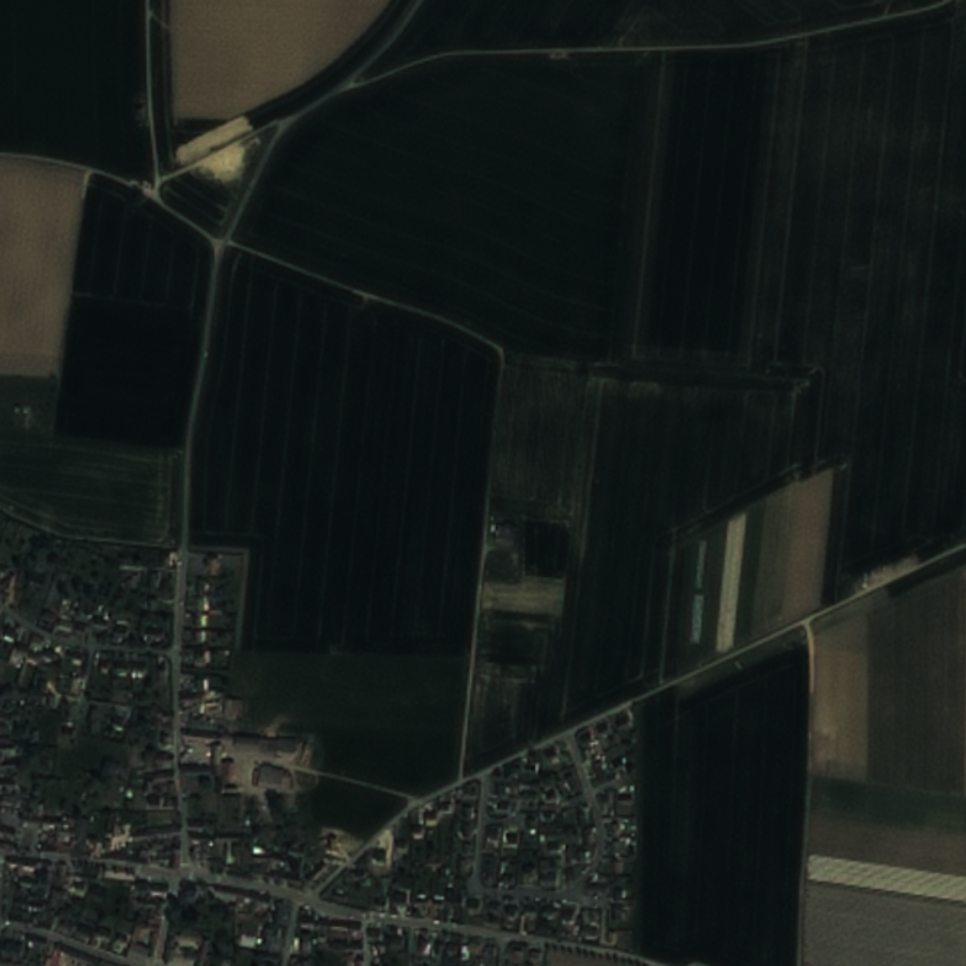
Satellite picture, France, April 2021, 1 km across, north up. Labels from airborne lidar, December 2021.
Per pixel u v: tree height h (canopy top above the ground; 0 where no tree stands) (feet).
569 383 0
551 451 0
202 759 0
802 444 0
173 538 0
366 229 0
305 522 0
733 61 0
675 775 0
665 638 0
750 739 0
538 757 35
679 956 0
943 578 0
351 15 0
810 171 0
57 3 0
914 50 0
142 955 0
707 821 0
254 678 0
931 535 0
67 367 0
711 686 0
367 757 0
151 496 0
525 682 0
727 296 0
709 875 0
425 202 0
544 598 0
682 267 0
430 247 0
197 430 0
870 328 0
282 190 0
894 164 0
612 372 0
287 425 0
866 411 0
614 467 0
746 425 0
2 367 0
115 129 0
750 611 0
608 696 0
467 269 0
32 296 0
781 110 0
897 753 0
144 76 0
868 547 0
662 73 0
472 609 0
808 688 0
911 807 0
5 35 0
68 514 0
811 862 0
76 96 0
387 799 0
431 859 21
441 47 0
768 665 0
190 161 0
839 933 0
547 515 0
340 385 0
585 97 0
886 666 0
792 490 0
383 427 0
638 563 0
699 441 0
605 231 0
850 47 0
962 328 0
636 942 0
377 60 0
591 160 0
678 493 0
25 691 25
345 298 0
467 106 0
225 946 46
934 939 0
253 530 0
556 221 0
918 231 0
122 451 0
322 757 0
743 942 0
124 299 0
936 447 0
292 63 0
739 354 0
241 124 0
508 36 0
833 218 0
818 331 0
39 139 0
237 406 0
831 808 0
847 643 0
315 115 0
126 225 0
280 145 0
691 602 0
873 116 0
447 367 0
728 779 0
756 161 0
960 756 0
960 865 0
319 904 0
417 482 0
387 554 0
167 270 0
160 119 0
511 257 0
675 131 0
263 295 0
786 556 0
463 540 0
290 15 0
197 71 0
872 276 0
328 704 0
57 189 0
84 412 0
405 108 0
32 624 0
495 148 0
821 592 0
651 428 0
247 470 0
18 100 0
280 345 0
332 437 0
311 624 0
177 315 0
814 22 0
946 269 0
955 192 0
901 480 0
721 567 0
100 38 0
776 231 0
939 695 0
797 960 0
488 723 0
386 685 0
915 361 0
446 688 0
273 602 0
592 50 0
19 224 0
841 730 0
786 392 0
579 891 0
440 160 0
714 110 0
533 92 0
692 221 0
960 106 0
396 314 0
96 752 0
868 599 0
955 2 0
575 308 0
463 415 0
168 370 0
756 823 0
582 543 0
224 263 0
